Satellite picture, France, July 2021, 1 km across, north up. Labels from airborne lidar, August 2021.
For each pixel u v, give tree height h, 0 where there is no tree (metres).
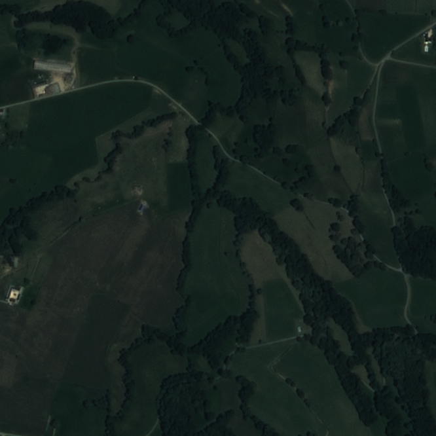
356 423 0
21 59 0
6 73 0
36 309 0
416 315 0
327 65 20
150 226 0
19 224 24
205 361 0
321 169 0
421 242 23
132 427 0
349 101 0
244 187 0
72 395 0
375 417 23
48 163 0
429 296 0
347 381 19
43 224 0
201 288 0
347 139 0
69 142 0
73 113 0
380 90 0
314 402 0
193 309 0
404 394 19
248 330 22
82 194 0
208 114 13
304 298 21
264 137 25
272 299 0
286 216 0
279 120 0
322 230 0
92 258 0
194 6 26
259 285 0
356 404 20
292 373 0
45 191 0
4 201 0
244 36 13
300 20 0
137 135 13
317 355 0
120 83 0
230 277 0
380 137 0
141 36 0
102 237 0
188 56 0
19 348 0
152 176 0
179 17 0
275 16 0
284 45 0
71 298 0
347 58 0
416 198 0
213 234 0
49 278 0
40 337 0
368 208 0
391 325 0
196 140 17
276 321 0
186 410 23
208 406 26
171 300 0
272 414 0
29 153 0
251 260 0
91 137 0
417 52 0
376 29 0
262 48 15
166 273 0
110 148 0
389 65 0
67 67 0
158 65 0
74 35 0
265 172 8
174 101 0
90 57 0
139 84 0
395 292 0
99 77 0
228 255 8
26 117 0
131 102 0
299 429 0
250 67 21
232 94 0
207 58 0
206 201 14
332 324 0
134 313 0
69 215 0
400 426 23
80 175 0
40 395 0
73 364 0
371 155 0
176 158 0
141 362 0
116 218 0
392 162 0
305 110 0
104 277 0
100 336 0
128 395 18
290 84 0
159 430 0
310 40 0
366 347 24
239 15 24
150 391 0
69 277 0
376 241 0
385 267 14
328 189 0
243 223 18
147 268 0
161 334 12
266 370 0
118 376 0
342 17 0
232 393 0
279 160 0
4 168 0
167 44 0
